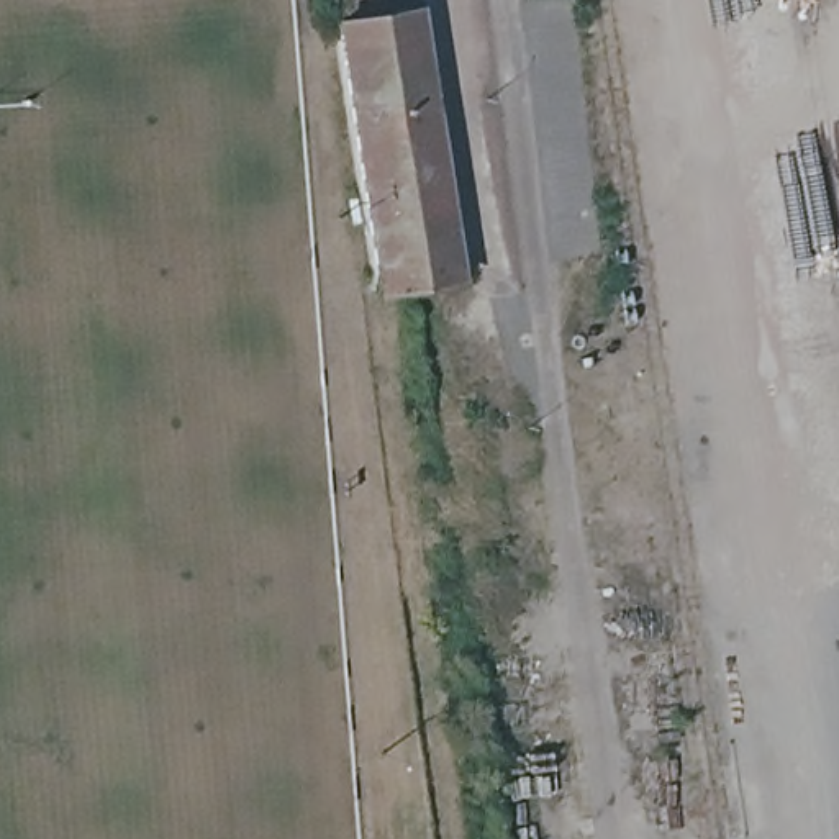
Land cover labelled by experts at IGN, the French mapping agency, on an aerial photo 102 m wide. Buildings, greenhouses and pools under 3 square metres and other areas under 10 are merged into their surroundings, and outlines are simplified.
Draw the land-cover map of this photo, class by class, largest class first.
<instances>
[{"label":"herbaceous vegetation","instance_id":"1","mask_svg":"<svg viewBox=\"0 0 839 839\"><path fill-rule=\"evenodd\" d=\"M357 177L334 43L321 39V33L315 29L308 0H0V839H465L459 806V770L452 744L446 737V724L433 731L426 728L429 714L446 711V692L439 688V639L429 629L433 574L423 564V554L439 544V531L446 524L459 531L462 554L482 547L495 557L501 574V580L485 583L469 606L482 616L475 629V646H492L505 685L501 692H488V705L498 744L508 754H518V839H551L544 819L564 806V767L570 744L547 741L544 731H531L537 705L524 698L528 652L515 642L511 633L518 626V616L528 613V603L541 600L551 590V577L557 574L551 560L554 551L547 544V456L537 406L531 393L518 383V377L505 370L501 361H495L485 351V344L469 354L465 328L452 324L456 315L469 308L475 288H433L429 298L436 308V347L442 364L439 406L442 439L452 462V485L420 478V456L413 449L416 426L406 423L400 390V311L377 308L367 292L374 269L367 256L364 226L351 220Z\"/></svg>","mask_w":839,"mask_h":839},{"label":"pervious surface","instance_id":"2","mask_svg":"<svg viewBox=\"0 0 839 839\"><path fill-rule=\"evenodd\" d=\"M420 7L433 13L469 265L478 279L475 288L469 308L456 315L452 324L465 328L469 354L485 344V351L495 361H501V347L511 341H505L495 331L492 305L501 298H515L518 282L511 275V259L501 233V210L495 197L485 138L482 88L511 82L515 75H528L521 0H361V20L393 16ZM593 187L613 184L619 200L629 206L623 216V252L629 256L623 275L629 295H619L613 302V311L596 305V275L606 265L603 246L600 252H590L583 262H570L560 269V288L570 295L564 302L560 351L577 485L583 498V534L590 560L596 567V587L587 593L606 606L600 623L606 649H633L629 672L613 675V708L619 744L629 754V783L642 806L619 819V839H836V760L816 688L823 678V652L832 642L810 629V619L816 610V596L829 587H839V0H603V16L593 26H577ZM524 698L537 705L531 731H544L547 741L570 744L564 767V800H580L583 787H590L593 734L583 724L570 731L567 675H551L544 655L528 652Z\"/></svg>","mask_w":839,"mask_h":839},{"label":"impervious surface","instance_id":"3","mask_svg":"<svg viewBox=\"0 0 839 839\"><path fill-rule=\"evenodd\" d=\"M528 75H515L511 82L482 88L485 138L495 197L501 210V233L511 259V275L518 282L515 298H501L492 305L495 331L505 341H511L501 347V361L505 370L518 377V383L531 393L537 406L547 456V544L554 551L551 560L557 574L551 577V590L541 600L528 603V613L518 616V626L511 633L515 642L528 652L544 655L551 675H567L570 731L583 724L593 734L590 787H583L580 800H564V806L544 819L551 839H619V819L642 806L629 783V754L619 744L613 708V675L629 672L633 649H606L600 623L606 606L587 593L596 587V567L590 560L583 534V498L577 485L560 351L564 302L570 295L560 288V269L570 262H583L590 252H600L603 246L600 220L593 210V187L577 26L570 0H521ZM810 629L832 642L823 652V678L816 688L836 760V839H839V587H829L816 596V610L810 619Z\"/></svg>","mask_w":839,"mask_h":839},{"label":"building","instance_id":"4","mask_svg":"<svg viewBox=\"0 0 839 839\"><path fill-rule=\"evenodd\" d=\"M357 177L351 220L364 226L367 256L374 269L367 292L377 308L400 311L403 298H429L433 288H475L478 279L469 265L433 13L420 7L393 16L361 20L341 23L334 43Z\"/></svg>","mask_w":839,"mask_h":839},{"label":"deciduous trees","instance_id":"5","mask_svg":"<svg viewBox=\"0 0 839 839\"><path fill-rule=\"evenodd\" d=\"M361 0H308L315 29L321 33V39L334 43L341 23L361 20ZM577 26H593L603 16V0H570ZM593 210L600 220L603 246L606 265L596 275V305L613 311V302L619 295H629L623 275L629 256L623 252V216L629 206L619 200L613 184L593 187ZM400 390L406 423L416 426L413 449L420 456V478L452 485V462L442 439L439 406L442 364L436 347V308L429 298H403L400 311ZM423 564L433 574L429 629L439 639V688L446 692V711L429 714L426 728L433 731L446 724V737L452 744L459 770V806L465 839H518V754H508L498 744L488 705V692H501L505 685L492 646H475V629L482 616L469 606L485 583L501 580V574L495 557L482 547L462 554L459 531L446 524L439 531V544L423 554Z\"/></svg>","mask_w":839,"mask_h":839}]
</instances>
